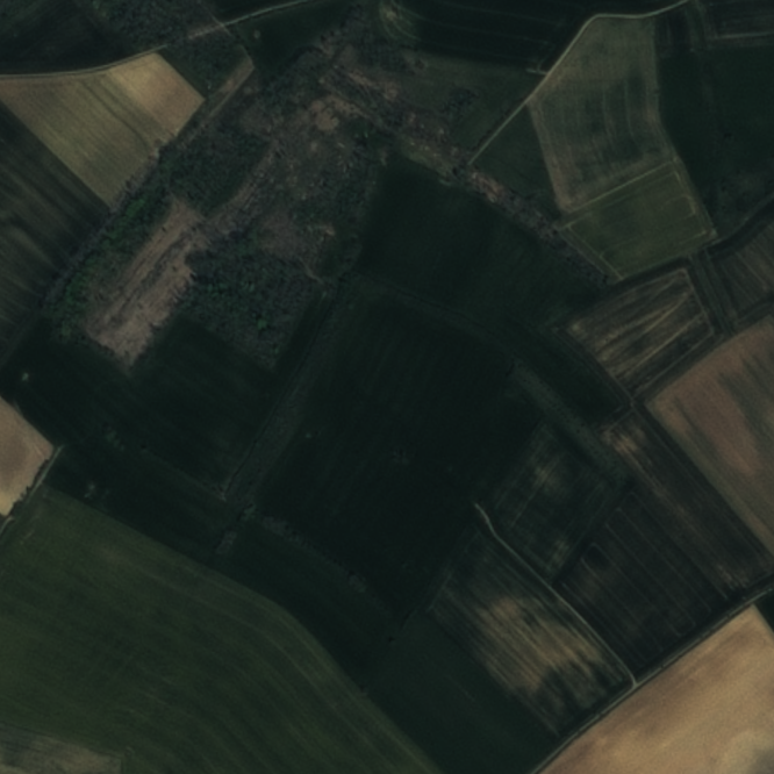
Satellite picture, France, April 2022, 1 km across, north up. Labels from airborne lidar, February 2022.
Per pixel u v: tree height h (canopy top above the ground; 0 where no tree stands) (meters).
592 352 0
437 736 0
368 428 0
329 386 0
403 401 0
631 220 0
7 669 0
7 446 0
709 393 0
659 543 0
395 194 0
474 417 0
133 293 0
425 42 0
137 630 0
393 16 0
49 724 0
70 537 0
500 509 0
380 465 0
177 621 0
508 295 0
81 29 0
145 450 7
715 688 0
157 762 0
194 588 0
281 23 0
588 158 0
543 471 0
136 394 0
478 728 0
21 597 0
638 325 0
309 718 0
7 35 0
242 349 16
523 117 0
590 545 0
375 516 0
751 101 0
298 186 0
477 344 0
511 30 0
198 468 0
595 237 0
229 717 0
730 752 0
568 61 0
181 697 0
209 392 0
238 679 0
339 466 0
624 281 0
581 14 0
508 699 0
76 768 0
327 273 0
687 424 0
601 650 0
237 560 0
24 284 0
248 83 0
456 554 0
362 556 0
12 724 0
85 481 0
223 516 0
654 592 0
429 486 0
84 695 0
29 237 0
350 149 0
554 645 0
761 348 0
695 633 0
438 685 0
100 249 22
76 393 0
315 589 0
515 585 0
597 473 0
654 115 0
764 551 0
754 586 0
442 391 0
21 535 0
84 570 0
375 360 0
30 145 0
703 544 0
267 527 15
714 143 0
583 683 0
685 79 0
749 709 0
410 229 0
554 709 0
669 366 0
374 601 5
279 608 0
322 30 0
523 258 0
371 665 0
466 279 0
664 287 0
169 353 0
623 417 0
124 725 0
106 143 0
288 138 0
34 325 0
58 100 0
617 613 0
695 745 0
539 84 0
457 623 0
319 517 0
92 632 0
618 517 0
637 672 0
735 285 0
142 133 0
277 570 0
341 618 0
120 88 0
